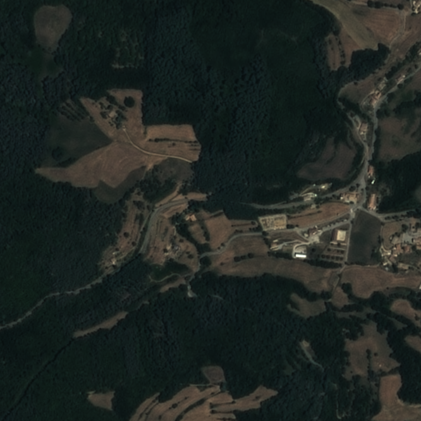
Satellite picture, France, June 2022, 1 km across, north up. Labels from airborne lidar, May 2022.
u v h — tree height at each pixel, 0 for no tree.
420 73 0
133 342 17
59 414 14
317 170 0
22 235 16
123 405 11
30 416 12
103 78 16
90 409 11
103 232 18
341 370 14
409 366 15
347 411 9
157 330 19
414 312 0
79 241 18
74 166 0
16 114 13
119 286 30
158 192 13
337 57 0
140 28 17
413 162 18
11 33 16
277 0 6
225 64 6
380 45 13
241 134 29
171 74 29
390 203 16
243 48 6
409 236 0
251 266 0
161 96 33
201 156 15
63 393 13
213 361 10
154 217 0
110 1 19
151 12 22
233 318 21
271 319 18
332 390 25
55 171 0
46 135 26
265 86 32
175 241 14
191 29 8
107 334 22
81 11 15
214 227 0
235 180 19
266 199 11
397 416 0
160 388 16
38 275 10
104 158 0
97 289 14
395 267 13
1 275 14
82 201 19
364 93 0
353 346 0
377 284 0
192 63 30
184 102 28
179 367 16
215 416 0
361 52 16
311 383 24
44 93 8
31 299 15
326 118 13
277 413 24
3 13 12
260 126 8
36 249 16
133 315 19
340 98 10
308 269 0
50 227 22
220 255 0
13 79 20
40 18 0
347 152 0
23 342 18
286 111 7
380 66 18
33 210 22
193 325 15
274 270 0
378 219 0
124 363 16
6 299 15
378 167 11
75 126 0
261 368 19
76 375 17
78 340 27
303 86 6
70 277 15
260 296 24
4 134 21
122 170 0
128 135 0
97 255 18
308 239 0
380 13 0
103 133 0
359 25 0
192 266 0
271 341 25
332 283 0
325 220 0
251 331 16
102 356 15
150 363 13
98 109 0
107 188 0
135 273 30
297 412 11
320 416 12
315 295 16
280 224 0
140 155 0
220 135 8
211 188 24
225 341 20
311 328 18
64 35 11
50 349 18
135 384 15
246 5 7
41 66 0
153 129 0
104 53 16
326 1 0
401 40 0
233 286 19
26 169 22
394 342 25
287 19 8
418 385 16
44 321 15
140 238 0
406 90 0
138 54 10
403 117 0
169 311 22
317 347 12
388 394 0
